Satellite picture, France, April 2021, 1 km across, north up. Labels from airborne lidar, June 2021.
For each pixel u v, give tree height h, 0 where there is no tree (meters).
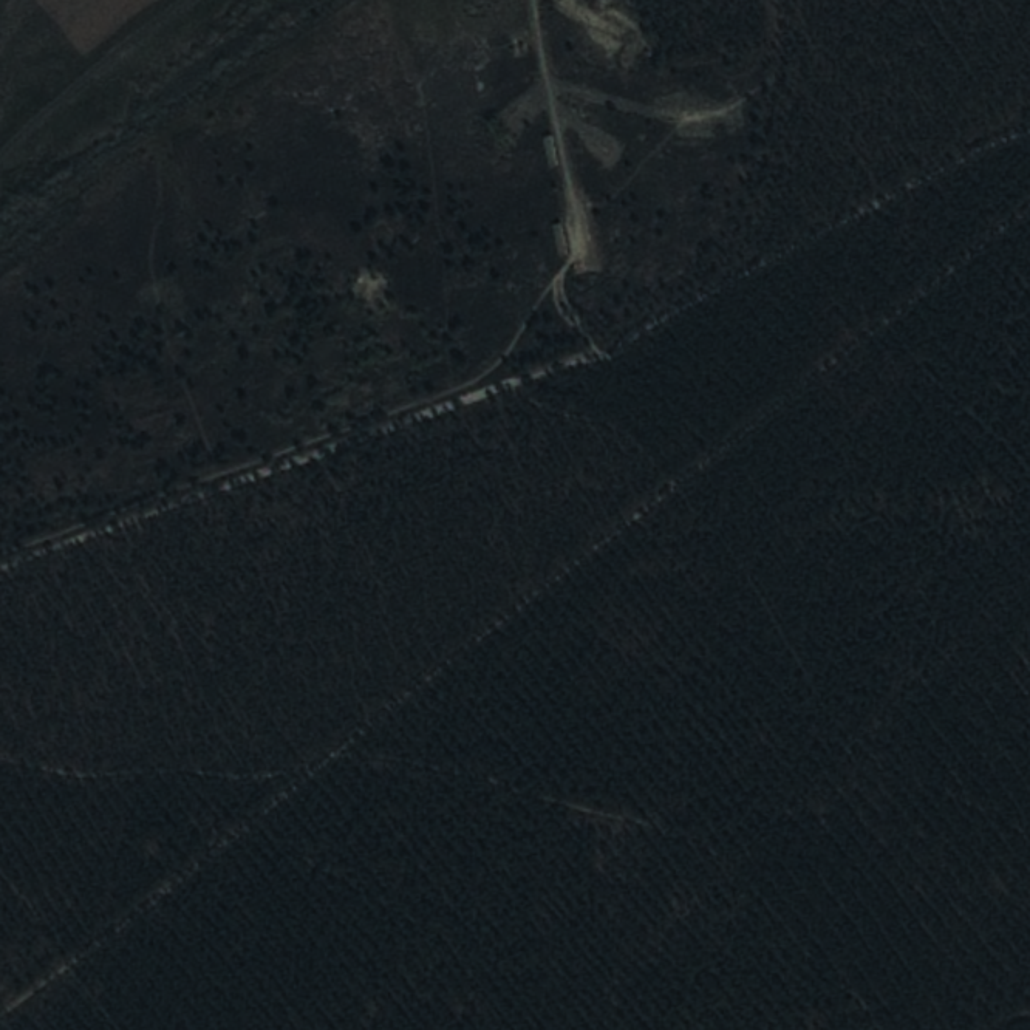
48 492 7
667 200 0
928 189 16
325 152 0
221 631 13
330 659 15
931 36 16
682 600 15
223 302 0
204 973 14
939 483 13
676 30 12
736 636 14
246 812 14
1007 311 13
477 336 0
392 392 0
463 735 14
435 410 0
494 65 0
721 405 17
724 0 15
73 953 16
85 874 14
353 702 14
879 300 16
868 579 15
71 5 0
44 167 0
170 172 0
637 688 13
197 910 13
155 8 0
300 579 14
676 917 15
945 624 15
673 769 17
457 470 16
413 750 14
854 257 15
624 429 14
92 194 9
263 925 15
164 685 14
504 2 0
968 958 15
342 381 7
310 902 14
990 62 15
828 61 15
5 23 0
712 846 14
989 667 16
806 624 14
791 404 16
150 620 14
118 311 0
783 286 16
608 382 15
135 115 8
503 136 15
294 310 8
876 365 15
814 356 16
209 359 0
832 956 15
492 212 0
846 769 16
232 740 15
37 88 0
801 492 15
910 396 15
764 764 16
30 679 16
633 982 14
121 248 0
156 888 16
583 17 0
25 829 14
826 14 14
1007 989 14
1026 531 15
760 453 15
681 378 16
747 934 15
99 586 15
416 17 0
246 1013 16
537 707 12
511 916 13
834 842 15
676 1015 16
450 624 15
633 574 13
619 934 15
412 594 14
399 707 17
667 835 13
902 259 18
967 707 13
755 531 14
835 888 15
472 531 17
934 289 15
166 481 7
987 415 13
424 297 0
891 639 15
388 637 16
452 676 16
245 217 0
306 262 14
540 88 0
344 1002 14
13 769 8
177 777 14
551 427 13
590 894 18
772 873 14
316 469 13
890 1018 14
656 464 14
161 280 0
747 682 16
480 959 16
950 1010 13
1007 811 15
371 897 15
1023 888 15
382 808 16
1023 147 14
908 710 15
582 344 13
